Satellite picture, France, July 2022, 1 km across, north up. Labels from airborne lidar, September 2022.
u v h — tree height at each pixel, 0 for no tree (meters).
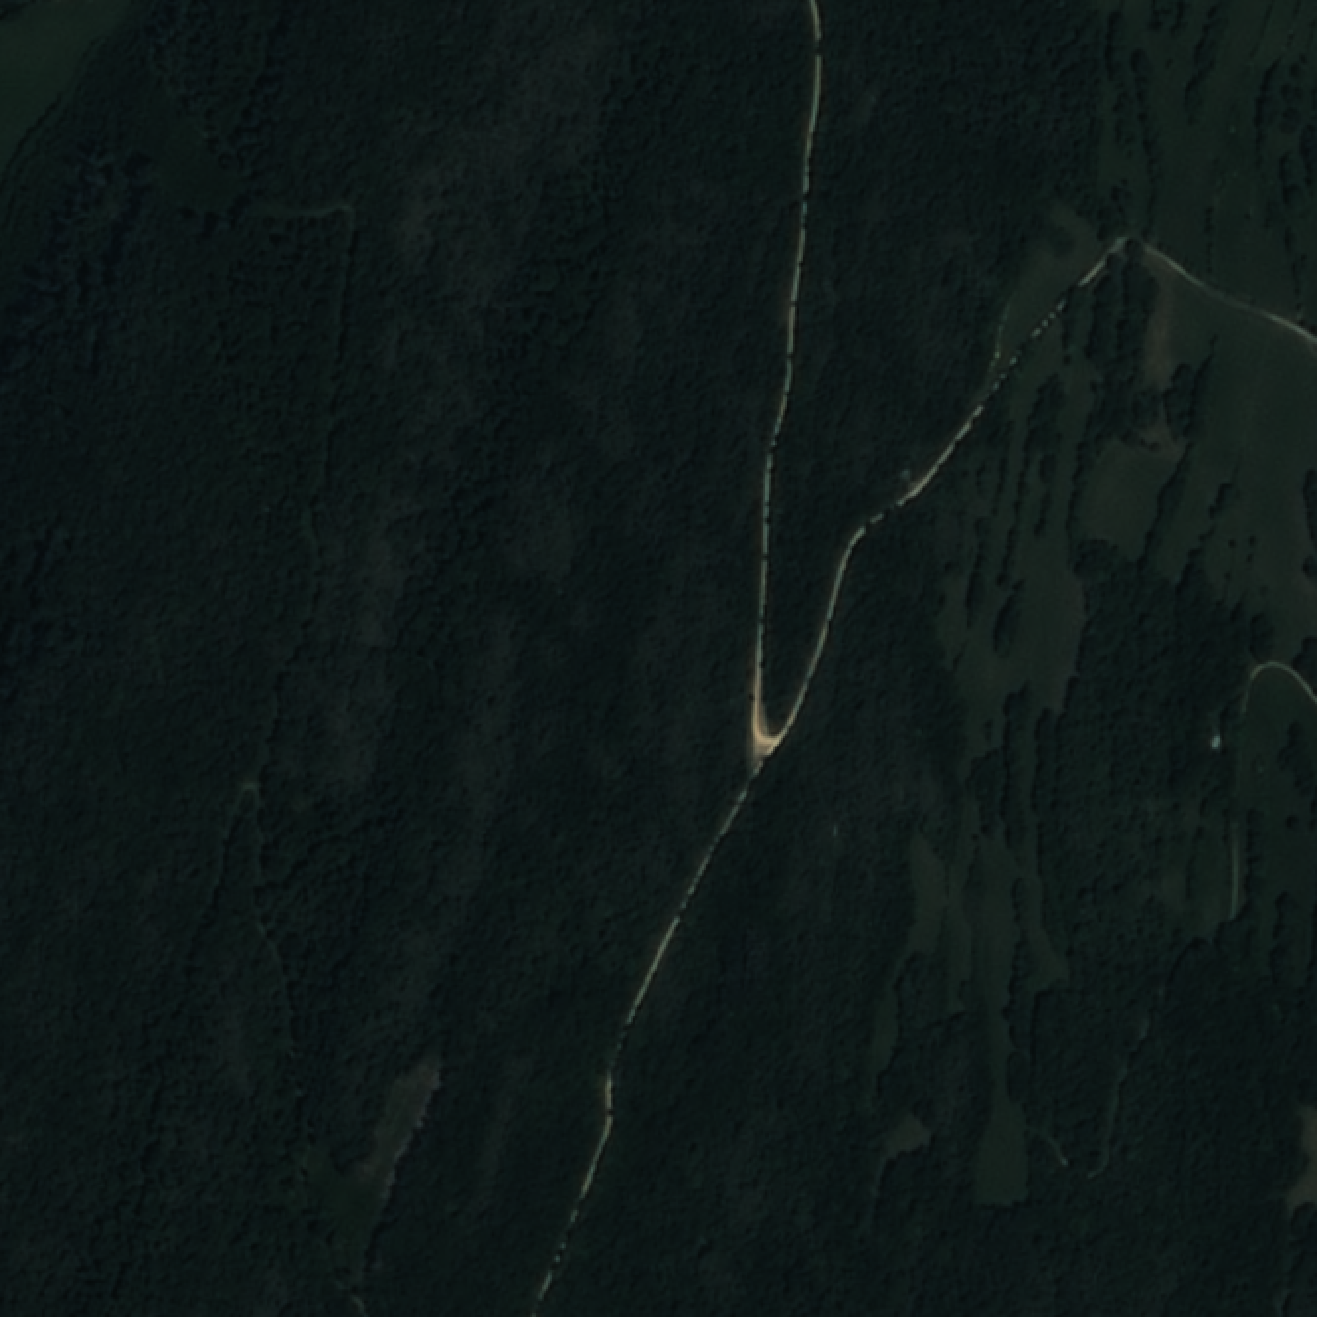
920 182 12
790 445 17
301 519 14
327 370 23
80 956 16
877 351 8
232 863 16
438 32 11
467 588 18
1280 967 18
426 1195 10
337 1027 17
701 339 11
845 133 10
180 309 15
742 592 10
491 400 13
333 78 10
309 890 15
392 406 15
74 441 20
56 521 19
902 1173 19
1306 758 11
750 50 15
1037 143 12
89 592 8
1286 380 0
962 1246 14
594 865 6
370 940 16
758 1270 12
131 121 6
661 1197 9
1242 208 0
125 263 21
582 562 12
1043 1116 8
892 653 12
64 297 22
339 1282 12
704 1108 10
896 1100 12
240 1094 10
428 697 13
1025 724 8
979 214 11
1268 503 0
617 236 16
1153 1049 11
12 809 14
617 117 14
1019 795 11
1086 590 6
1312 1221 7
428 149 12
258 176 21
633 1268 11
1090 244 0
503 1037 10
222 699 10
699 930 8
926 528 10
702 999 12
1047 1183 8
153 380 12
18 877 15
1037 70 26
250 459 16
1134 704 11
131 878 18
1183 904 0
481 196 9
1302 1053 19
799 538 13
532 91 6
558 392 15
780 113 10
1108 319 14
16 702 11
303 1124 15
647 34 17
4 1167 13
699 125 14
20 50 0
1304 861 0
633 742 10
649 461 7
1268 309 0
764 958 14
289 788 17
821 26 8
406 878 12
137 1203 20
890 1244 10
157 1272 14
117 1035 7
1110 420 13
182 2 26
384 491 14
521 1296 12
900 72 15
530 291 20
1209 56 13
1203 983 17
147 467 10
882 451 7
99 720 14
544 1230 10
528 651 12
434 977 9
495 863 13
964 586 0
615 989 12
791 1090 11
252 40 18
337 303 22
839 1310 14
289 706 13
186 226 26
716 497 10
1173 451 0
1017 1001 11
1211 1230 15
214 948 17
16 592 19
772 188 13
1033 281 0
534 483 6
